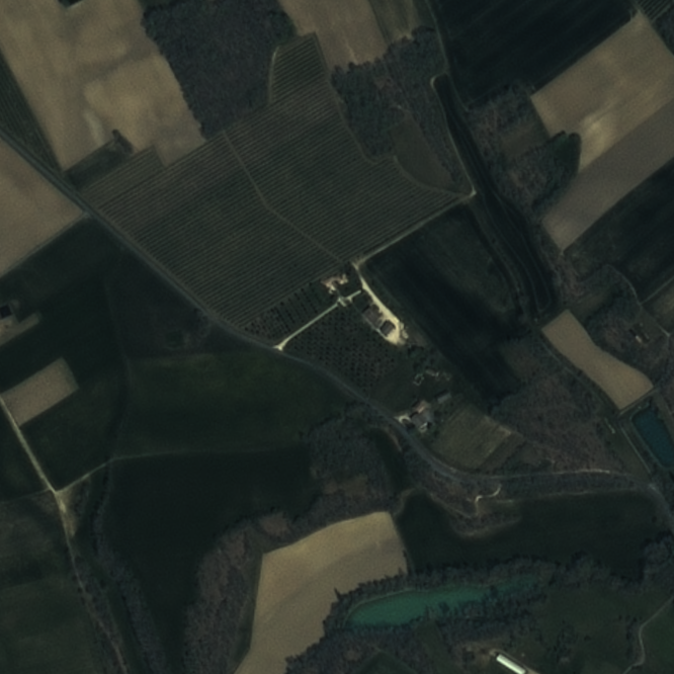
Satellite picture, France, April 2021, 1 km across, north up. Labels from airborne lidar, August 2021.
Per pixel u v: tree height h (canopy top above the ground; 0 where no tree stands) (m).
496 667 0
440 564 0
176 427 0
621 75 0
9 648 0
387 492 18
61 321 0
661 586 17
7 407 0
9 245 0
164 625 0
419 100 9
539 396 7
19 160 0
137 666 0
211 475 0
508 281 0
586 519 0
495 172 14
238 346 0
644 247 0
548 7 0
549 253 14
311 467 0
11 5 0
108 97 0
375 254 0
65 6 21
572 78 0
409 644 14
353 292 0
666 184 0
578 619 0
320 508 15
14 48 0
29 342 0
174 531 0
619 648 0
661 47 0
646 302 0
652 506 0
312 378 0
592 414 13
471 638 11
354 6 0
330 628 16
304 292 0
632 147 0
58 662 0
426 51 20
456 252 0
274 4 21
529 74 0
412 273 0
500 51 0
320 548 0
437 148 14
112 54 0
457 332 0
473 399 0
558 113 0
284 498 0
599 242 0
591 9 0
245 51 16
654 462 10
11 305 0
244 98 12
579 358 0
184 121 0
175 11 18
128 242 0
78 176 0
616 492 16
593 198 0
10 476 0
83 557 0
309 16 0
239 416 0
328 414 0
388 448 0
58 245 0
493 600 7
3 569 0
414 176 0
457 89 0
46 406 0
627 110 0
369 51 0
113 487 10
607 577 16
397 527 0
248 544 11
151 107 0
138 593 14
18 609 0
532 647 0
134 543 0
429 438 0
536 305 0
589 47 0
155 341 0
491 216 0
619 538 0
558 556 0
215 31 18
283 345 0
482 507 0
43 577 0
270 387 0
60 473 0
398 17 0
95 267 0
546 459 7
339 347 6
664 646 0
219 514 0
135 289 0
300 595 0
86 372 0
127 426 0
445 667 0
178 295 0
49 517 0
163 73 0
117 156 0
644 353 11
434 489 8
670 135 0
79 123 0
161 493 0
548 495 17
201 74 19
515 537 0
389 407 0
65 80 0
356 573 0
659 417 22
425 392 0
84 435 0
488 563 0
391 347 7
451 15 0
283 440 0
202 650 8
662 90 0
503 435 0
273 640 0
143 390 0
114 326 0
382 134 18
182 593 0
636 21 0
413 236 0
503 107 11
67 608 0
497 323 0
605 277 12
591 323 13
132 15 0
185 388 0
